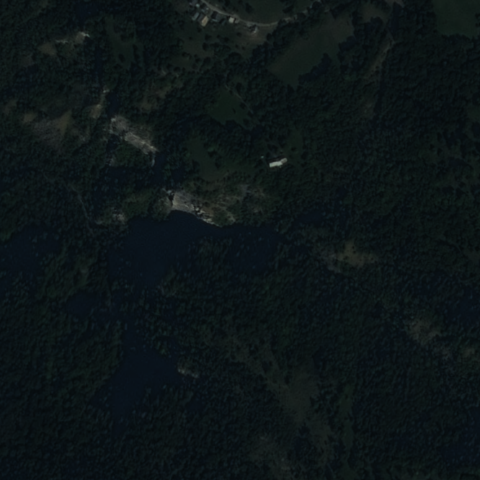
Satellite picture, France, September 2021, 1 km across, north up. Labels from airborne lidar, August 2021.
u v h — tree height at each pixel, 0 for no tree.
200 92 23
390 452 28
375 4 15
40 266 6
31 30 26
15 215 22
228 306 15
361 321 20
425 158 19
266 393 14
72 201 18
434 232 23
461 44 23
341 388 13
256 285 15
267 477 13
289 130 18
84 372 20
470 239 23
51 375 8
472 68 18
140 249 8
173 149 19
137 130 6
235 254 20
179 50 16
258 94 18
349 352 17
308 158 16
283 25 13
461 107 14
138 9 19
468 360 7
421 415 22
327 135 23
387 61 9
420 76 24
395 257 17
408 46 25
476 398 21
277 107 25
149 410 17
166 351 16
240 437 12
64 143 6
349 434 0
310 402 0
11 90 26
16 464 19
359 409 18
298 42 0
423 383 20
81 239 25
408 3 18
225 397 20
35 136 8
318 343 13
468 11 0
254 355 14
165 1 25
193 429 22
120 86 23
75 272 15
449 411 26
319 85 26
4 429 30
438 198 21
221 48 18
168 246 16
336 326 21
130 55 0
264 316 14
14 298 22
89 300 14
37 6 15
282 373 14
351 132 19
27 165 16
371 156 18
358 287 18
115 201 18
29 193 18
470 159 14
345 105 15
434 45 25
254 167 9
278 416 9
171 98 22
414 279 23
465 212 25
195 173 8
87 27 18
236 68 25
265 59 28
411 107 23
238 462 19
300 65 0
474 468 23
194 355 14
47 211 28
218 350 8
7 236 19
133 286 24
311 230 10
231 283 24
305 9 0
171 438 29
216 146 20
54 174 14
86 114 8
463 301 15
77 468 15
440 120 16
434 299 18
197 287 27
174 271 8
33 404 24
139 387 16
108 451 16
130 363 24
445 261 34
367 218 21
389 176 15
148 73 8
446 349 11
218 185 7
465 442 30
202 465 23
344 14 20
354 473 19
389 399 22
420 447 22
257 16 0
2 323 21
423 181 31
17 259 23
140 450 33
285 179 23
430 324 7
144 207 13
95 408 14
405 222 35
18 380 22
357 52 21
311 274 18
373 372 14
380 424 24
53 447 10
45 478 22
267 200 10
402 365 17
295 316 20
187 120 21
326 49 0
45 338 16
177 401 32
